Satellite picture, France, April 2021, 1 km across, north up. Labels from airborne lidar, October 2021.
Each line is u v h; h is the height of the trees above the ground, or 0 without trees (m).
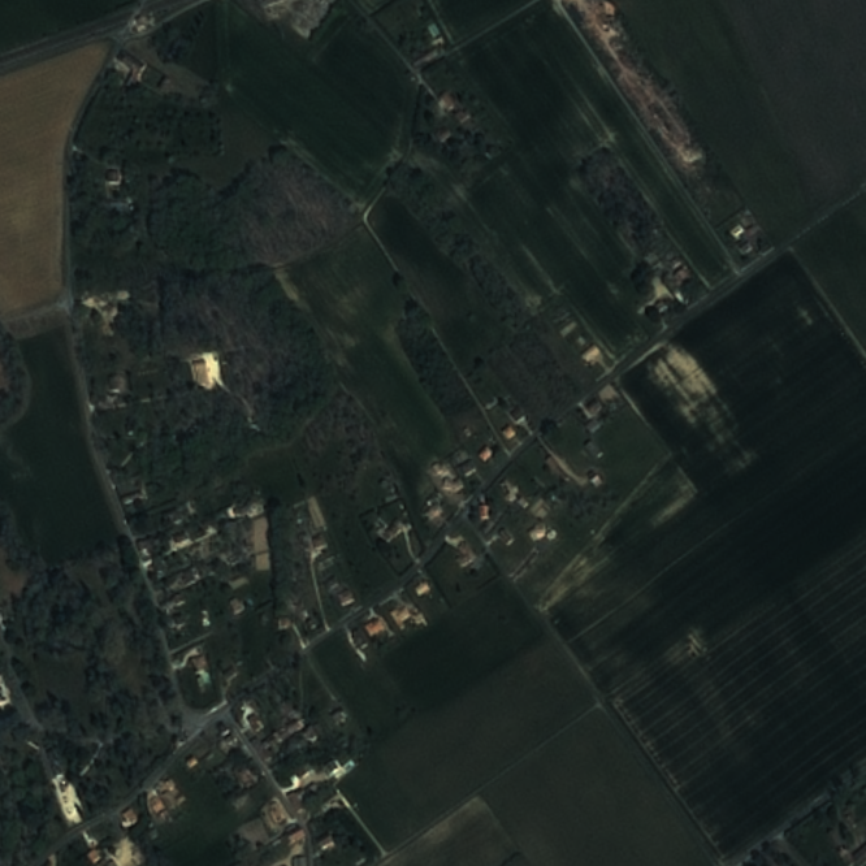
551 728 0
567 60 0
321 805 19
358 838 11
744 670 0
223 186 0
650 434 0
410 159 0
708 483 0
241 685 0
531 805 0
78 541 0
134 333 9
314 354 22
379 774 0
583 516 9
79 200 12
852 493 0
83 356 15
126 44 0
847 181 0
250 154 0
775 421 0
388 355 0
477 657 0
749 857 0
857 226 0
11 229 0
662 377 0
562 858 0
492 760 0
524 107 0
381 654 9
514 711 0
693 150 0
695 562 0
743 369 0
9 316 0
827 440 0
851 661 0
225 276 16
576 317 0
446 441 0
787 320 0
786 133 0
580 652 0
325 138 0
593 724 0
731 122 0
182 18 0
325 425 10
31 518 0
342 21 0
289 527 21
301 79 0
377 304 0
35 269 0
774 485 0
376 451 11
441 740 0
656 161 0
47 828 21
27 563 16
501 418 0
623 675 0
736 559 0
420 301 0
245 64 0
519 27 0
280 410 24
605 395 0
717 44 0
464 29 0
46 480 0
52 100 0
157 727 10
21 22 0
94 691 18
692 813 0
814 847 0
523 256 0
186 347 16
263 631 0
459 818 0
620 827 0
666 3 0
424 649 0
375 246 0
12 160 0
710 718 0
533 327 7
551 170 0
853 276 0
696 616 0
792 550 0
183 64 19
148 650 20
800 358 0
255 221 22
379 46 0
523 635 0
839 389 0
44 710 13
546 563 0
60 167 0
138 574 20
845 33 0
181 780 0
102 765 10
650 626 0
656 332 0
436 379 10
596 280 0
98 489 0
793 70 0
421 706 0
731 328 0
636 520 0
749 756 0
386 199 0
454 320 0
